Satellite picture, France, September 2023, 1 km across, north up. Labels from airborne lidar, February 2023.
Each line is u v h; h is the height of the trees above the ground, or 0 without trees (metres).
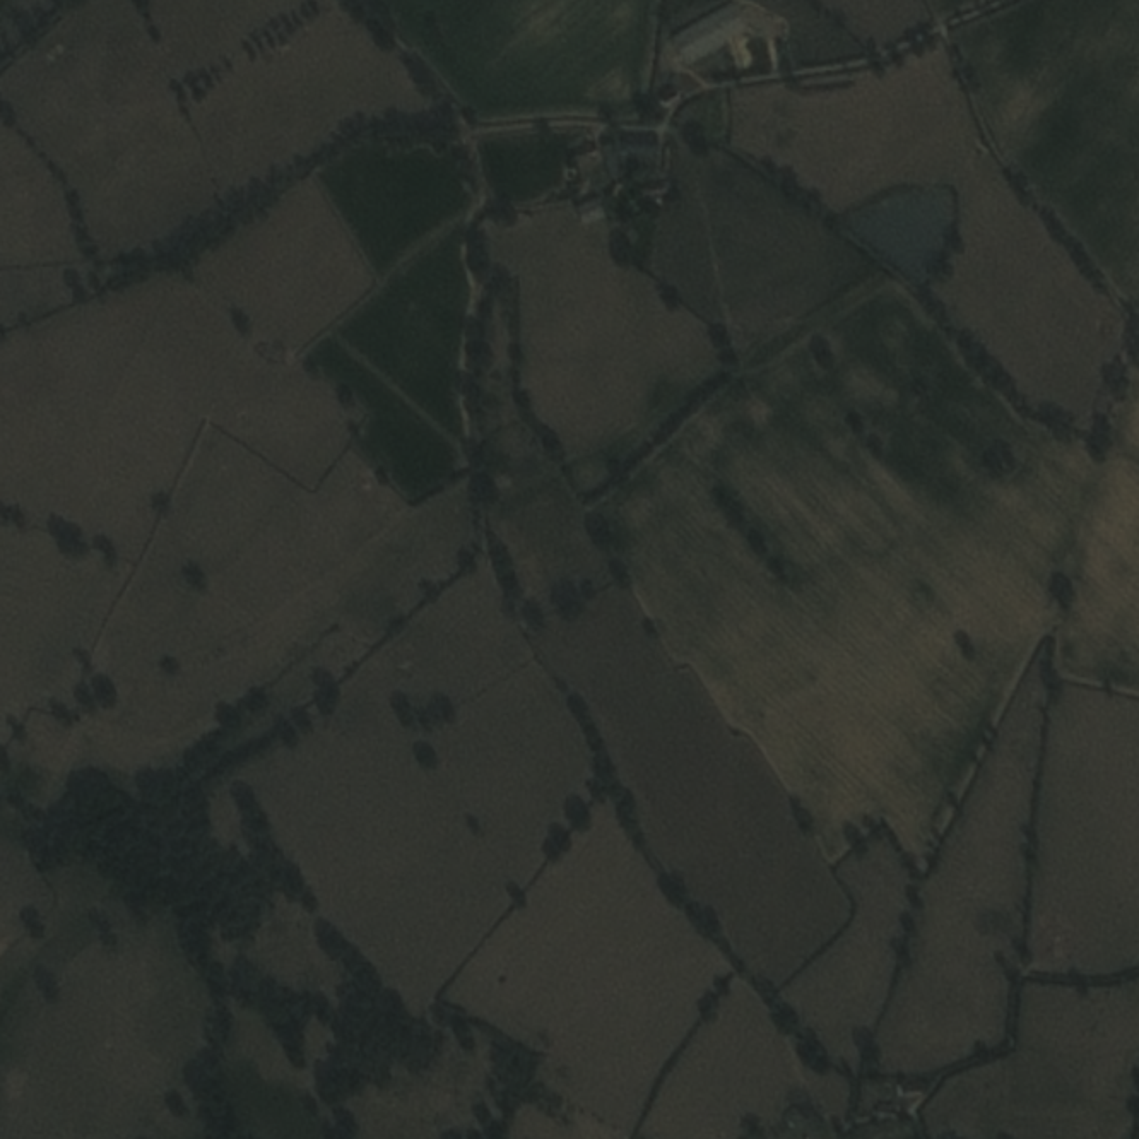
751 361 0
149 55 0
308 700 0
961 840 0
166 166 0
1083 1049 0
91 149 0
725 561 0
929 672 0
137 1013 0
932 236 0
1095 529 0
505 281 16
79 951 0
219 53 0
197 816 7
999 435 0
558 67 0
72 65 0
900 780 0
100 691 16
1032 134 0
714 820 0
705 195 0
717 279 0
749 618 0
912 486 0
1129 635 0
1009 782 0
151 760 0
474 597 0
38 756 0
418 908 0
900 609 0
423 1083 0
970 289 0
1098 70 0
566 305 0
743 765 0
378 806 0
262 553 0
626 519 0
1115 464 0
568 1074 0
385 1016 15
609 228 0
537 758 0
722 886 0
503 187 0
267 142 0
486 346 15
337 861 0
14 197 0
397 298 0
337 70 0
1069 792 0
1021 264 0
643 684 0
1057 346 0
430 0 0
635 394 0
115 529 0
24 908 0
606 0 0
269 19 0
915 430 0
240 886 6
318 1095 11
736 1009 0
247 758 7
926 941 0
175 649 0
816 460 0
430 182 0
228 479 0
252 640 0
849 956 0
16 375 0
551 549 0
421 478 0
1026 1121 0
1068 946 0
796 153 0
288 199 0
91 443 0
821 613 0
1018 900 0
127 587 0
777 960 0
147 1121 0
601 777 14
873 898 0
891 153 0
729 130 0
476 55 0
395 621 6
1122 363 11
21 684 0
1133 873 0
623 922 0
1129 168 0
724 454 0
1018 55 0
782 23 0
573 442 0
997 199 0
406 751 0
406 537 0
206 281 0
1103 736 0
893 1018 0
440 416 0
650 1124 0
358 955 9
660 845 0
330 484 0
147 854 20
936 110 0
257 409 0
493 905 0
